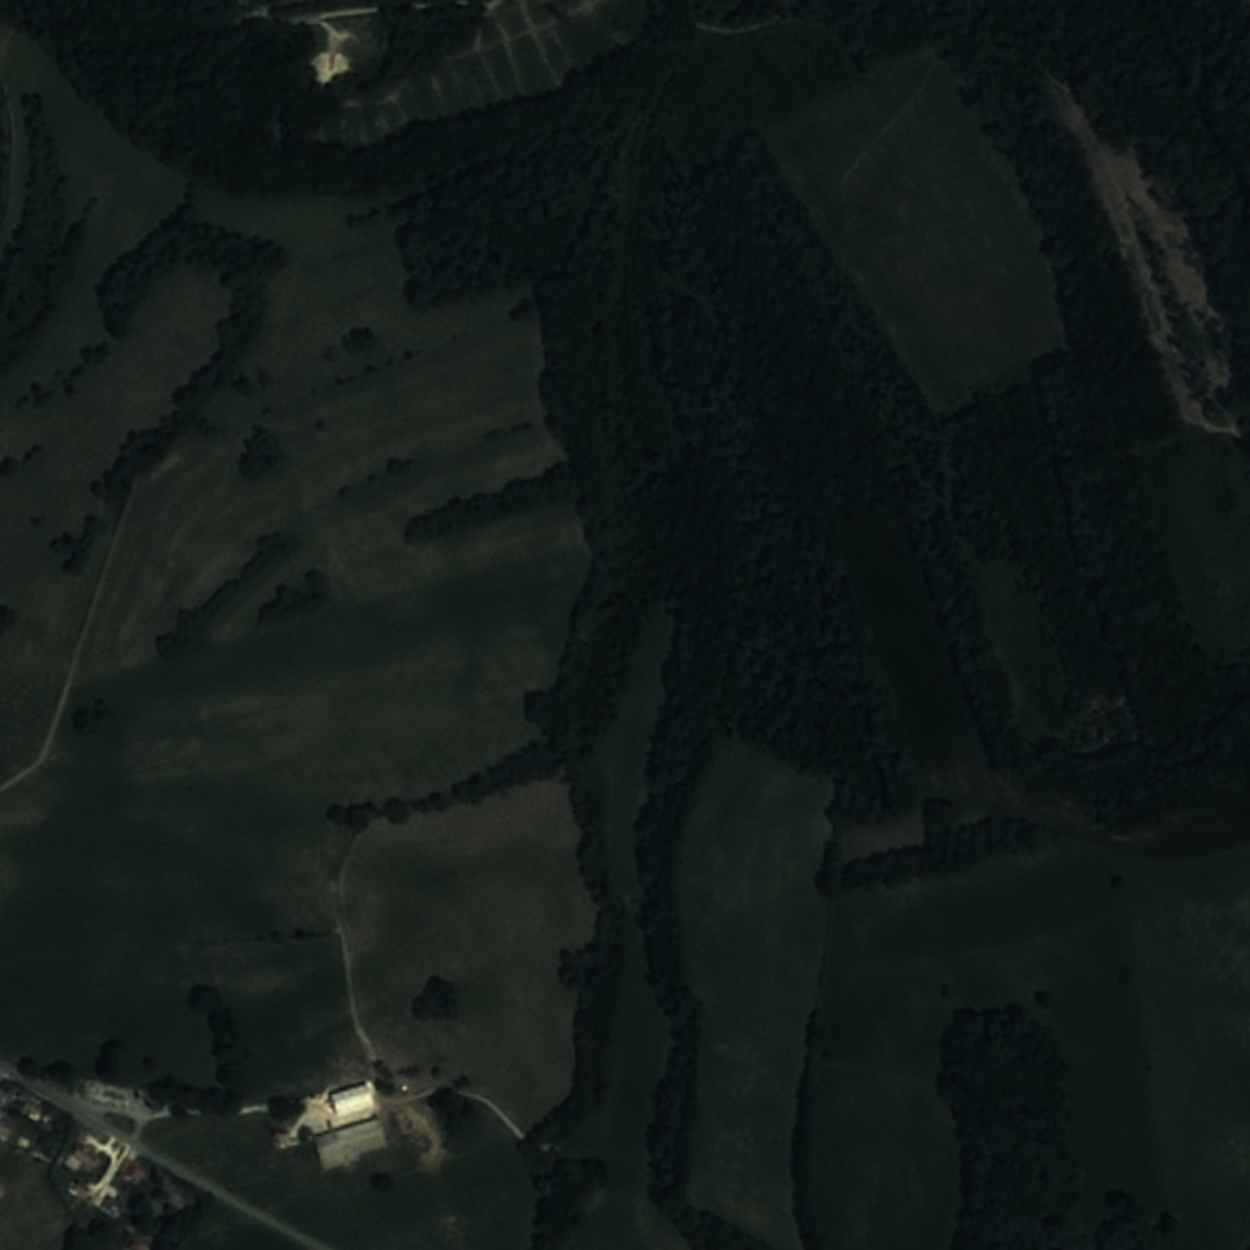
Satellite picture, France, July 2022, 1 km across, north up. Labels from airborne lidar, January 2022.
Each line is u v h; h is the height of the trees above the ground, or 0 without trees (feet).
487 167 60
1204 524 0
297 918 0
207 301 0
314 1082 0
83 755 0
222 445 0
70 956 0
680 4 79
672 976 64
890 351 51
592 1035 47
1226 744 79
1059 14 83
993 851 69
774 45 0
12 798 0
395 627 0
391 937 0
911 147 0
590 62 0
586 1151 0
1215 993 0
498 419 0
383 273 0
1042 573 30
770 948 0
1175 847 0
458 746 0
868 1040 0
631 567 66
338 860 0
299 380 0
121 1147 0
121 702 0
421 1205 0
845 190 0
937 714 0
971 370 0
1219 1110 0
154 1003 0
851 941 0
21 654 0
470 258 20
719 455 61
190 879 0
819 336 73
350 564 0
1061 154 61
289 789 0
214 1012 39
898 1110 0
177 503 0
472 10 36
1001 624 0
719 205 65
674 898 34
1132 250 0
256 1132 0
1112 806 82
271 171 71
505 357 0
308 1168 0
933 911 0
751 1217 0
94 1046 0
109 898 0
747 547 67
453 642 0
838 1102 0
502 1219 0
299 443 0
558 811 0
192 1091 30
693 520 56
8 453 0
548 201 74
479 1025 0
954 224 0
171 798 0
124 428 0
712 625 59
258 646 0
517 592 0
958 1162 0
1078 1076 0
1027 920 0
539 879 0
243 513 0
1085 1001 0
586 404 75
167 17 52
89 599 0
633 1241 0
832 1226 0
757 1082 0
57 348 0
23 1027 0
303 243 0
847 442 73
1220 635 0
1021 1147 103
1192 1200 0
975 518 59
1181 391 0
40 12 79
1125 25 68
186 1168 0
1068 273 74
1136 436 87
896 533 0
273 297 0
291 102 68
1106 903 0
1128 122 81
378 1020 0
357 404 0
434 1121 0
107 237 0
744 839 0
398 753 0
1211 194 92
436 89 0
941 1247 0
